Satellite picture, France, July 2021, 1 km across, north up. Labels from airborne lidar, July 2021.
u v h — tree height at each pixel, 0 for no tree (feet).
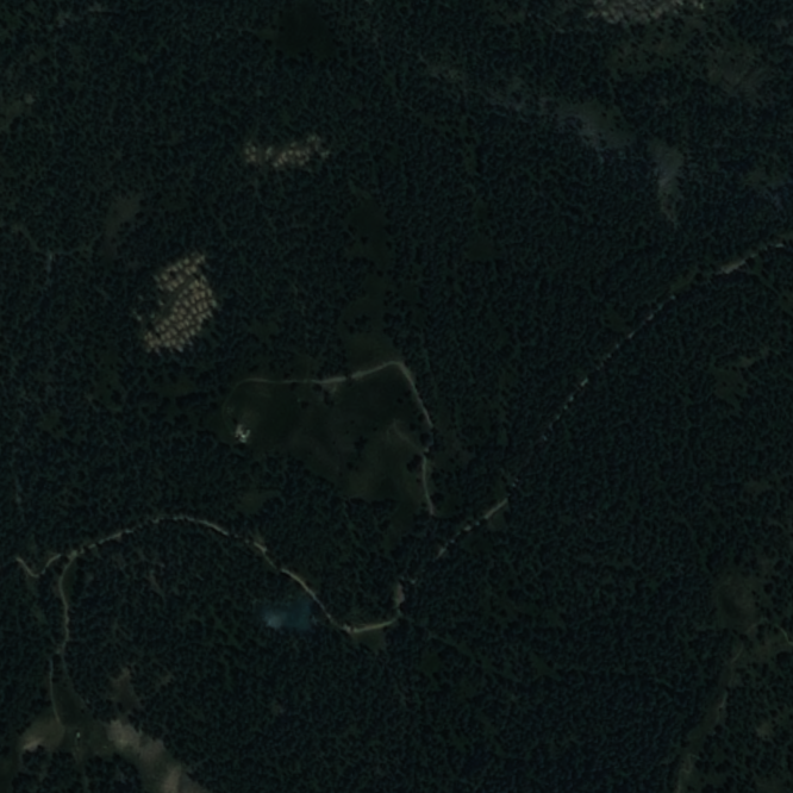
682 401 63
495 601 28
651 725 67
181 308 0
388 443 0
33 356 31
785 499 53
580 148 40
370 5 50
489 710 38
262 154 0
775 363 65
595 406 54
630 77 34
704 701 60
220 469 58
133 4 65
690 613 34
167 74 70
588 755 58
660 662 28
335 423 0
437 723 25
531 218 51
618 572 57
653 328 52
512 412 47
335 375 31
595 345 64
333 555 73
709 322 44
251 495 0
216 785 47
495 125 85
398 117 48
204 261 0
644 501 44
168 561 80
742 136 35
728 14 24
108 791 64
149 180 23
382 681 62
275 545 66
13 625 53
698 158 45
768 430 43
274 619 0
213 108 87
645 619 54
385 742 71
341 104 70
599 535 41
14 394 45
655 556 40
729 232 63
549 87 49
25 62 22
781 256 62
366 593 66
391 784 50
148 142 60
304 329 46
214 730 63
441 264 47
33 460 69
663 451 54
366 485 0
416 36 55
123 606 40
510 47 27
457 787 30
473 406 43
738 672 25
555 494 38
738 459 55
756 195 25
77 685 52
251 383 0
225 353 67
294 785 79
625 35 61
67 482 51
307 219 37
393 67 55
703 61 24
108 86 55
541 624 48
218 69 56
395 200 42
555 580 57
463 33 59
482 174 72
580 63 70
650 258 59
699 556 52
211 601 94
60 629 30
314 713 51
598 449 56
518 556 51
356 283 51
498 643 67
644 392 59
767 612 27
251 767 71
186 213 24
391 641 27
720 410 71
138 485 62
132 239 32
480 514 51
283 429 0
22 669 67
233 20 50
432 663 0
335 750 67
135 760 0
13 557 57
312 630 0
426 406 42
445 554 0
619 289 57
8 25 35
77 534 78
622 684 72
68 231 36
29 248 36
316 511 82
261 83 35
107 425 62
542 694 59
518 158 65
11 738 54
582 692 64
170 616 78
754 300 43
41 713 61
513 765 38
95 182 47
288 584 79
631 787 69
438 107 46
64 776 59
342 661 78
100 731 0
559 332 54
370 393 0
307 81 69
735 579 0
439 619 57
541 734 66
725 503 44
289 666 85
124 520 44
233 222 52
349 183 48
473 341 62
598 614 40
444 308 49
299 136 65
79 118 37
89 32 47
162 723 31
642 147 36
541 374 56
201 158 62
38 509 56
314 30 0
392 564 66
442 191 54
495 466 53
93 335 44
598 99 44
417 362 46
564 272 28
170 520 36
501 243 29
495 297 56
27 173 24
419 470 38
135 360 64
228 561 67
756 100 0
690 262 55
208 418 44
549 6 64
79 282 36
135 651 54
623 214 62
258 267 62
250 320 74
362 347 0
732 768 63
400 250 35
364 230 0
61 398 47
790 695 63
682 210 30
